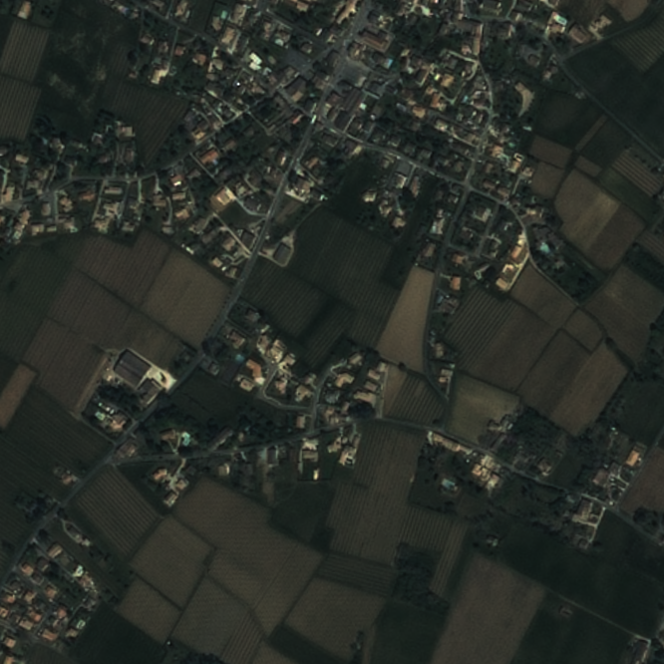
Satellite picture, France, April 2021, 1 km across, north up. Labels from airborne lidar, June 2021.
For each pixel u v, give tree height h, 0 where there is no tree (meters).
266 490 0
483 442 14
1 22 0
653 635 0
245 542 0
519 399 0
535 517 10
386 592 0
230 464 8
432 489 0
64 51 0
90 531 0
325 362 0
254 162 10
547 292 0
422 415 0
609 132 0
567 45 10
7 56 0
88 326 0
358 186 0
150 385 0
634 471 0
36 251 0
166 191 10
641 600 0
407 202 9
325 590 0
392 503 0
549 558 0
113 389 8
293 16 11
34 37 0
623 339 0
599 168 0
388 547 0
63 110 0
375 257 0
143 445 0
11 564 0
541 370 0
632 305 0
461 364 0
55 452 0
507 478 18
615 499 14
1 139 0
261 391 0
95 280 0
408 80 10
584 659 0
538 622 0
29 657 0
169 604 0
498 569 0
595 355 0
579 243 0
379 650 0
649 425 0
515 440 10
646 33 0
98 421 9
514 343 0
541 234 0
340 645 0
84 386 0
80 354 0
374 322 0
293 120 0
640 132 0
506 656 0
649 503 0
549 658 0
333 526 0
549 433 7
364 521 0
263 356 0
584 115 0
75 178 0
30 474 0
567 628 0
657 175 7
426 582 18
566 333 0
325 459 0
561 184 0
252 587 0
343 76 0
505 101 11
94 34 0
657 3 16
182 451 10
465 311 0
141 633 0
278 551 0
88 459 0
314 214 0
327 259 0
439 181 10
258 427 8
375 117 0
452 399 0
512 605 0
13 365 0
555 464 0
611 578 0
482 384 0
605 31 0
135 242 0
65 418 0
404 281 0
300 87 0
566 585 0
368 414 18
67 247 0
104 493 0
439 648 0
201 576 0
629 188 0
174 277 0
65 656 0
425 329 0
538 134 0
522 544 0
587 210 0
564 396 0
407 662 0
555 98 0
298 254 0
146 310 0
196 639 0
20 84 0
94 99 0
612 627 0
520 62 9
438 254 7
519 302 0
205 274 0
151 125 0
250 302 0
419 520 0
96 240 0
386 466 0
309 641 0
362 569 0
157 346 0
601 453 8
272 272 0
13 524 0
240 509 0
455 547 0
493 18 0
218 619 0
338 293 0
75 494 0
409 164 0
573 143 0
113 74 0
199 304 0
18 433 0
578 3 0
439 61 6
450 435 0
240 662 0
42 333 0
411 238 0
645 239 0
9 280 0
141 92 0
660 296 0
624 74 0
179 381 0
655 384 15
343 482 0
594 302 0
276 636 0
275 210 0
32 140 9
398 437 0
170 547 0
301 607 0
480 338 0
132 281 0
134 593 0
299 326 0
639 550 0
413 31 6
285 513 0
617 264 0
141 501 0
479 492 11
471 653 0
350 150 0
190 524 0
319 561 0
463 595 0
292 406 0
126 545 0
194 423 7
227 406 0
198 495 0
